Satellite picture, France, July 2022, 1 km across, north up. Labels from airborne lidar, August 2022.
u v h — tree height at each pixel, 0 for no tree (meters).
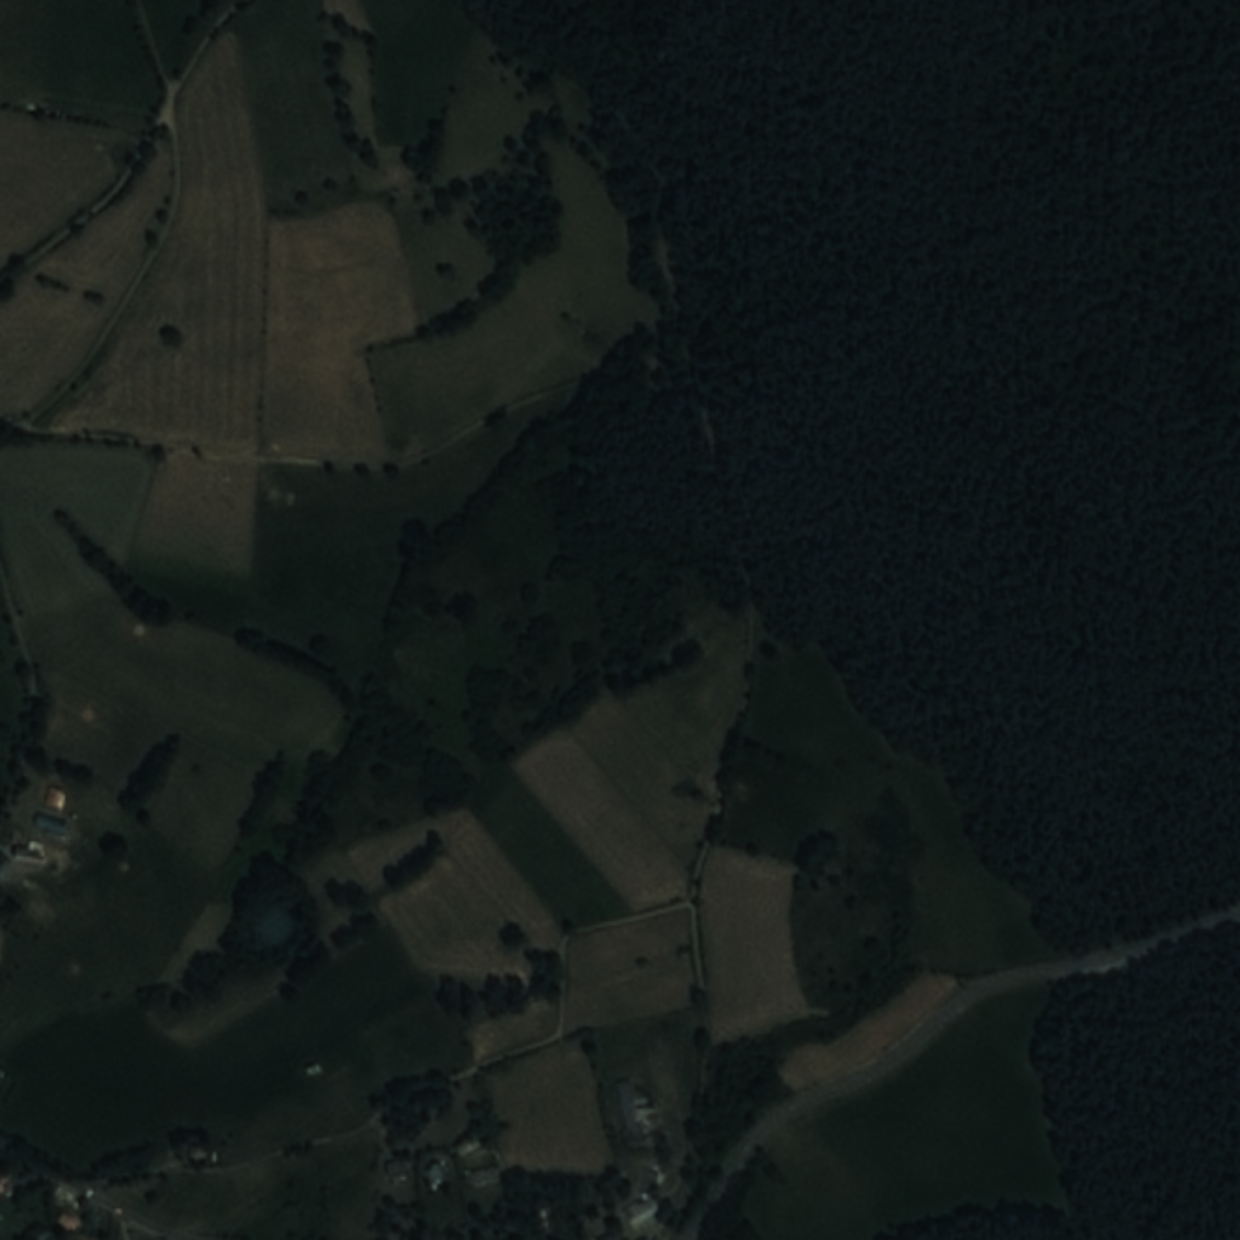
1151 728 22
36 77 0
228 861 0
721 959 0
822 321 20
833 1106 0
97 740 0
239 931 12
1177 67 21
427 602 5
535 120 14
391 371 0
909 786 0
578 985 0
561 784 0
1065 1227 14
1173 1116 21
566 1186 23
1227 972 17
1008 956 0
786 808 0
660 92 17
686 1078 0
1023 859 19
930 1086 0
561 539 7
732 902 0
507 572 0
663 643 8
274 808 0
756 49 23
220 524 0
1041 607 22
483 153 0
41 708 16
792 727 0
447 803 12
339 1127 0
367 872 0
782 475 18
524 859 0
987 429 21
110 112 0
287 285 0
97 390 0
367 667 0
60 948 0
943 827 0
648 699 0
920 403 19
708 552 14
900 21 20
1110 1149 26
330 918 0
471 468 0
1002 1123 0
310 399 0
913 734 16
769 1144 0
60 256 0
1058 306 22
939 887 0
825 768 0
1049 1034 23
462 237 0
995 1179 0
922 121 20
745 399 16
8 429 12
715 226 8
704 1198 9
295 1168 0
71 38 0
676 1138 0
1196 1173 19
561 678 0
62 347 0
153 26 0
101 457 0
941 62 20
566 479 7
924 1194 0
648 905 0
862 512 17
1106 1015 8
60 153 0
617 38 13
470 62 0
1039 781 20
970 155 14
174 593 0
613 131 18
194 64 0
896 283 20
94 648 0
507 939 15
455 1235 13
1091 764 20
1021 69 17
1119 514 15
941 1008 0
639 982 0
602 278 0
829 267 23
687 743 0
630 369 15
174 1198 0
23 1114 0
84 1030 0
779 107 26
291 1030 0
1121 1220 21
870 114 17
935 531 24
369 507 0
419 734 7
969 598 19
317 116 0
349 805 0
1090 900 17
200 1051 0
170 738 10
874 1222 0
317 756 7
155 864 0
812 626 18
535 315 0
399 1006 0
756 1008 0
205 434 0
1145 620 21
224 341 0
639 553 16
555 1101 0
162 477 0
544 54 12
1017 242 19
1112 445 19
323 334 0
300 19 0
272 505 0
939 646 19
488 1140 14
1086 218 18
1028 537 9
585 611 0
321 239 0
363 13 0
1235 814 23
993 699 22
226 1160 0
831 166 24
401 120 0
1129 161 20
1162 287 18
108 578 9
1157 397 21
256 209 0
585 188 0
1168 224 8
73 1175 6
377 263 0
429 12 0
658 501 15
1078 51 7
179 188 0
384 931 0
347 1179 0
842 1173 0
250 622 0
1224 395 18
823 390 19
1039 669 24
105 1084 0
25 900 0
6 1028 0
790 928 0
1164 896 20
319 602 0
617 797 0
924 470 22
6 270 8
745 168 19
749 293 13
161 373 0
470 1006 14
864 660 9
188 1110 0
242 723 0
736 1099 10
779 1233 0
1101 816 23
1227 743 7
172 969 0
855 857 0
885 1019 0
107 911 0
